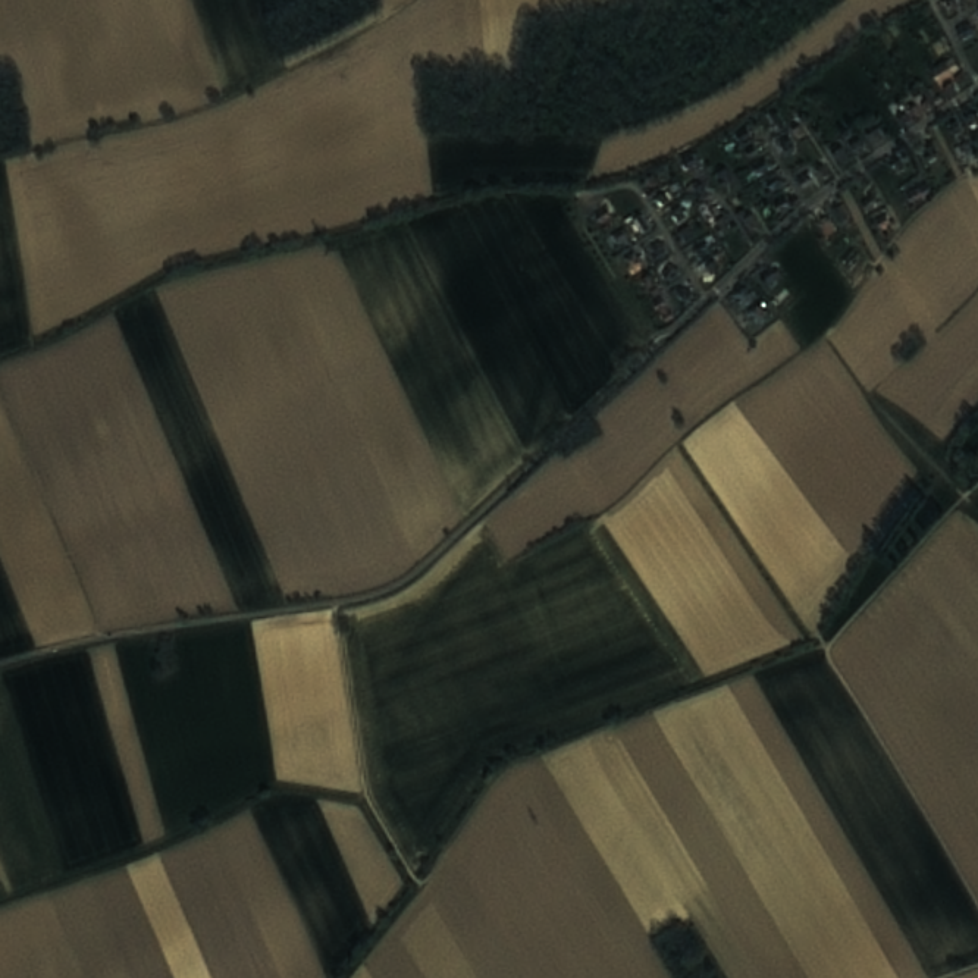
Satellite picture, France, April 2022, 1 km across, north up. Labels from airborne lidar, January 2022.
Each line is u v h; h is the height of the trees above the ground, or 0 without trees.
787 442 0
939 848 0
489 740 0
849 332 0
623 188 0
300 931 0
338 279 0
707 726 0
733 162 0
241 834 0
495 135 23
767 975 0
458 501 0
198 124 0
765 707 0
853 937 0
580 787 0
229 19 0
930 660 0
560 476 0
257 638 0
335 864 0
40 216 0
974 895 0
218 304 0
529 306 0
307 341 0
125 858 0
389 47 0
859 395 0
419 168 0
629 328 0
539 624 0
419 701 0
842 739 0
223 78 0
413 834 0
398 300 0
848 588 16
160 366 0
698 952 28
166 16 0
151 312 0
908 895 0
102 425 0
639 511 0
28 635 0
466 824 0
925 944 0
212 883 0
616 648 0
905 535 0
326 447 0
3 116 22
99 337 0
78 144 0
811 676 0
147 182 0
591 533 0
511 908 0
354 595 0
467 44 0
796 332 0
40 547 0
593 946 0
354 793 0
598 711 0
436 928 0
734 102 0
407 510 0
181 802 0
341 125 0
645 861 0
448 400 0
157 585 0
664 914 0
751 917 0
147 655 0
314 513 0
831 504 0
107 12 0
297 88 0
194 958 0
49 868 0
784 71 0
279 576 0
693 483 0
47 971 0
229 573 0
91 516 0
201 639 0
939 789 0
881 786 0
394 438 0
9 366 0
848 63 0
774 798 0
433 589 0
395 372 0
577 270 0
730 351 0
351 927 0
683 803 0
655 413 0
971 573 0
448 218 0
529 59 23
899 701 0
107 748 0
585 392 0
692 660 0
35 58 0
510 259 0
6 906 0
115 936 0
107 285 0
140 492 0
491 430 0
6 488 0
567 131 26
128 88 0
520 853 0
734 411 0
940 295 0
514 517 0
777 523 0
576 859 0
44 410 0
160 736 0
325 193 0
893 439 0
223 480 0
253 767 0
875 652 0
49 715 0
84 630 0
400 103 0
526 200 0
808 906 0
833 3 6
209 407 0
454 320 0
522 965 0
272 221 0
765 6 21
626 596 0
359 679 0
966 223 0
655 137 0
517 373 0
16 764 0
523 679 0
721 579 0
